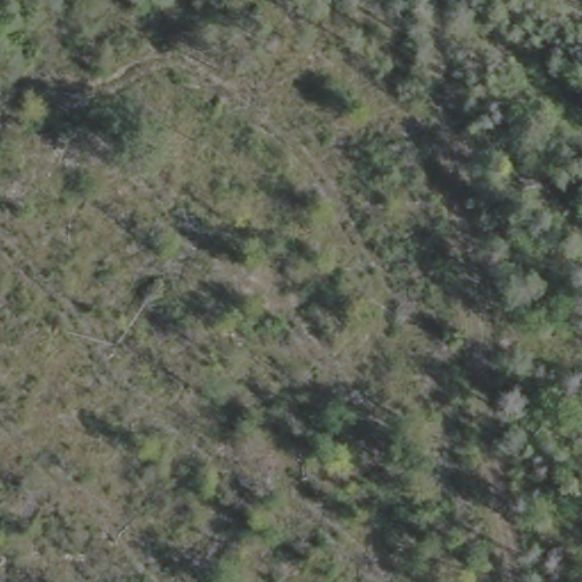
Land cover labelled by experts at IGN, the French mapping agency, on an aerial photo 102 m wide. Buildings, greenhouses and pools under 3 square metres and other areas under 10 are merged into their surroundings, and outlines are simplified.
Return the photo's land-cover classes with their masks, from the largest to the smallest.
<instances>
[{"label":"coniferous trees","instance_id":"1","mask_svg":"<svg viewBox=\"0 0 582 582\"><path fill-rule=\"evenodd\" d=\"M557 296L575 298V309L568 314L566 321L571 334H564L555 341L550 325L541 332L516 334L518 323H525V318L532 311L541 309ZM571 398L582 405V0H0V582H409L407 577L380 568L373 546L366 543L368 512L357 507V498H384L386 489L375 482L348 484L346 489H341L318 477V471H327V462H316L311 455L318 450V437L325 434V414L330 405H346L357 416L355 423L346 425L332 439L334 443L346 446L350 455L355 450L368 452L373 448L382 450L384 455L391 452V439L402 430L411 411L423 409L425 414H439L443 418V434L448 439V446L439 448L437 466L430 473V480L446 500L455 498L457 516L464 514L471 518H482L473 525L471 532L464 534V541L471 548H480L489 555L491 571L480 573L477 582H582V427L564 434L559 407Z\"/></svg>","mask_w":582,"mask_h":582},{"label":"deciduous trees","instance_id":"2","mask_svg":"<svg viewBox=\"0 0 582 582\"><path fill-rule=\"evenodd\" d=\"M575 309V298L557 296L541 309L532 311L525 318V323H518L516 334L541 332L550 325L555 341L564 334H571L566 321L568 314ZM564 434L582 427V405L571 398L559 407ZM325 434L318 437V450L311 455L316 462H327V471H318V477L341 489H346L348 484L375 482L386 489L384 498H357V507L368 512L366 543L373 546L380 568L407 577L409 582H477L480 573L491 571L489 555L480 548H471L464 541V534L471 532L473 525L482 518H471L464 514L457 516L455 498L446 500L430 480V473L437 466L439 448L448 446V439L443 434V418L439 414H425L423 409L411 411L402 430L391 439V452L384 455L382 450L373 448L368 452L355 450L350 455L346 446L334 443L332 439L346 425L355 423L357 416L346 405H330L325 414Z\"/></svg>","mask_w":582,"mask_h":582}]
</instances>
